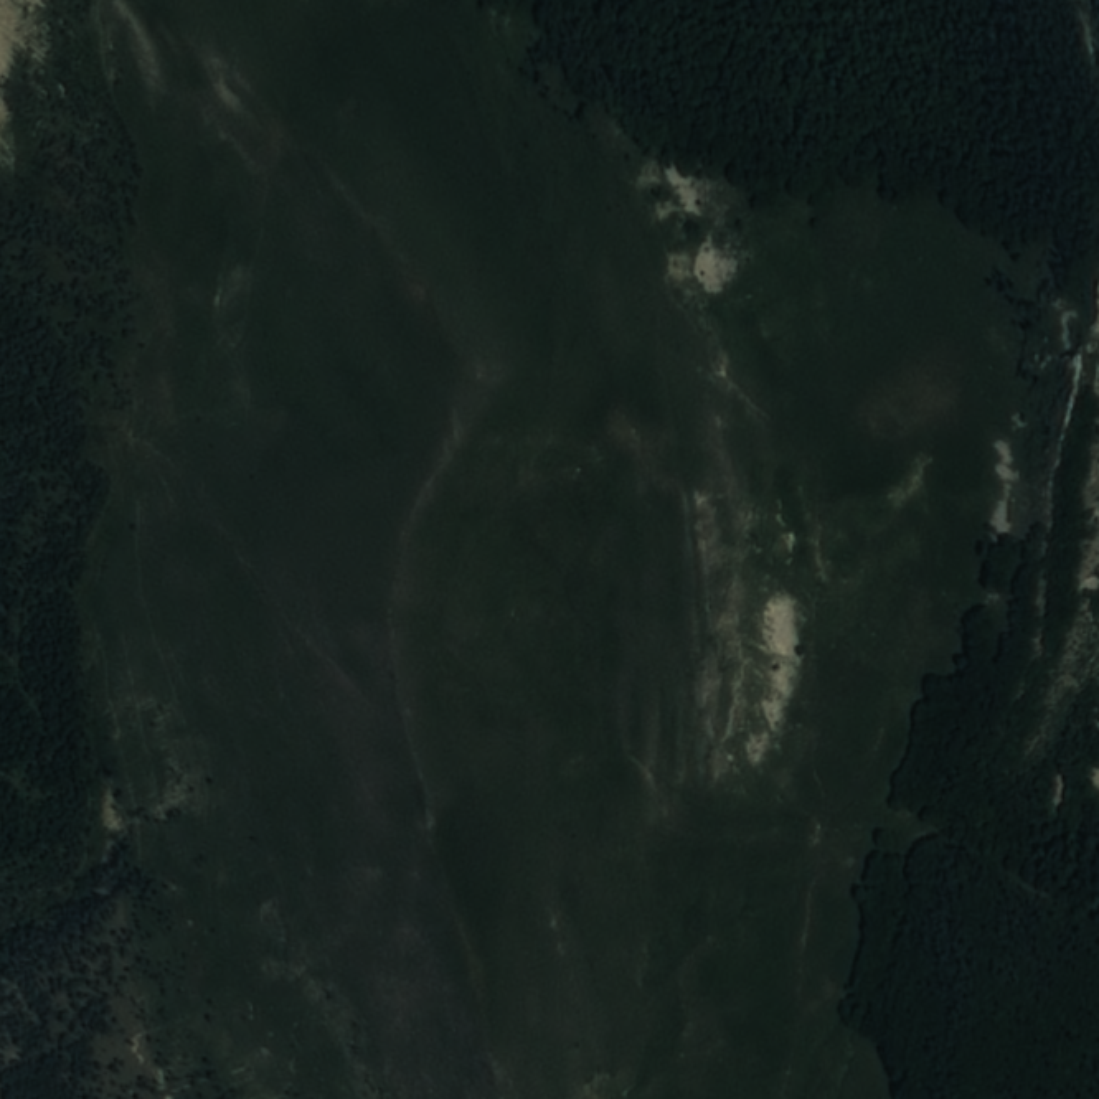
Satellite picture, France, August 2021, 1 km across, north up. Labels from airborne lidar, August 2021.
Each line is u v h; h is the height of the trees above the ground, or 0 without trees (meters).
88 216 9
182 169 0
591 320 0
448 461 0
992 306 0
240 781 0
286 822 0
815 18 14
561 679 0
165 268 0
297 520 0
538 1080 0
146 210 0
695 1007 0
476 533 0
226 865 0
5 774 8
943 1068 14
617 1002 0
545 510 0
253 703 0
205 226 0
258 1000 0
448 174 0
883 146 19
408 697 0
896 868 15
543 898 0
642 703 0
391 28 0
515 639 0
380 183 0
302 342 0
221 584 0
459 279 0
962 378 0
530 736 0
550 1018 0
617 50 13
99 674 0
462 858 0
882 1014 22
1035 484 0
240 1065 0
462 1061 0
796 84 19
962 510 0
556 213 0
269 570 0
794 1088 0
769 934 0
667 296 0
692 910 0
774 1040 0
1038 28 8
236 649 0
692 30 17
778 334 0
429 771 0
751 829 0
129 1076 0
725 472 0
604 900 0
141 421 0
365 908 0
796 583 0
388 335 0
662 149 7
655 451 0
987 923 17
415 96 0
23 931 10
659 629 0
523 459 0
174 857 0
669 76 9
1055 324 0
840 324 0
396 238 0
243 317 0
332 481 0
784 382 0
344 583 0
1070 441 12
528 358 0
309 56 0
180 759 0
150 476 0
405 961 0
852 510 0
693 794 0
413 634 0
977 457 0
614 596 0
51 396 9
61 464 7
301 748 0
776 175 15
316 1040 0
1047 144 12
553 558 0
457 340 0
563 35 16
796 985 0
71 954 8
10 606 9
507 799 0
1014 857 12
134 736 0
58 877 10
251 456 0
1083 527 10
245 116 0
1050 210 13
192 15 0
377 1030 0
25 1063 7
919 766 18
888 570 0
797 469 0
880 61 17
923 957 17
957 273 0
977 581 0
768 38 15
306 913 0
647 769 0
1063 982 15
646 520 0
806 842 0
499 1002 0
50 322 6
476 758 0
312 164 0
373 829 0
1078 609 9
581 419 0
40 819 7
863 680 0
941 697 23
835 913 0
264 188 0
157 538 0
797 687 0
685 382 0
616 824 0
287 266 0
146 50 0
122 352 0
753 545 0
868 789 0
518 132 0
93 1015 7
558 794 0
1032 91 12
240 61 0
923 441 0
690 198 0
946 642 0
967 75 18
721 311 0
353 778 0
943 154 18
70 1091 8
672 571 0
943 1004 12
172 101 0
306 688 0
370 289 0
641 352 0
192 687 0
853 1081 0
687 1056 0
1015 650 12
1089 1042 15
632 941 0
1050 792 12
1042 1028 14
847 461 0
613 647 0
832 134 18
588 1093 0
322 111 0
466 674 0
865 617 0
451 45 0
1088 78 7
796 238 0
